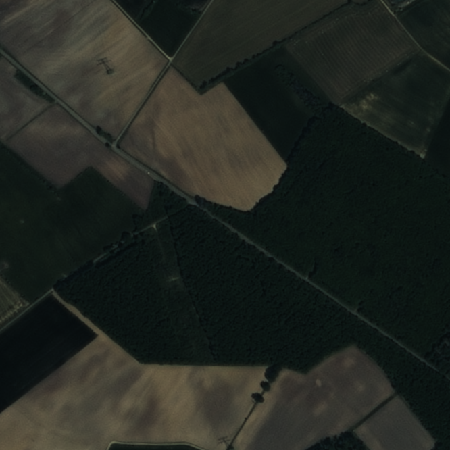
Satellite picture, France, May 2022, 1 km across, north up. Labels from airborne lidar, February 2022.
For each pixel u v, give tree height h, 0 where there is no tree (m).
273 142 0
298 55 0
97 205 0
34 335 0
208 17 0
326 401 0
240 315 19
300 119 0
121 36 0
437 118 0
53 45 0
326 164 20
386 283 13
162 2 0
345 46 0
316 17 0
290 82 7
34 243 0
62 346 0
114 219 0
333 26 0
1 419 0
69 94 0
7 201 0
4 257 0
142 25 0
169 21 0
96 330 0
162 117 0
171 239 0
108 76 0
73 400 0
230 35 0
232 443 0
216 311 19
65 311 0
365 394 0
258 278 16
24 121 0
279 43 10
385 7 0
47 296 0
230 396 0
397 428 0
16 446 0
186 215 17
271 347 17
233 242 15
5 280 0
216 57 0
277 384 0
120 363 0
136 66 0
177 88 0
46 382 0
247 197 0
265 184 0
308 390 0
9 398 0
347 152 12
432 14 0
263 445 0
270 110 0
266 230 18
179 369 0
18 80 0
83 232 0
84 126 0
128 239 13
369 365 0
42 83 0
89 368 0
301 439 0
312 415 0
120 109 0
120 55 0
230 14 0
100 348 0
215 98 0
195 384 0
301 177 15
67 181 0
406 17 0
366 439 0
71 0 0
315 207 13
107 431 0
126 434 0
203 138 0
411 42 0
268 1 0
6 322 0
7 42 0
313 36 0
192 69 0
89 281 20
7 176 0
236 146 0
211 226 17
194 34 0
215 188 0
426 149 0
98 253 0
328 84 0
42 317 0
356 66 0
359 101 0
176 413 0
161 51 0
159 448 0
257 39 0
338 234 13
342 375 0
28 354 0
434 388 14
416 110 0
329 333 16
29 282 0
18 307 0
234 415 0
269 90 0
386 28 0
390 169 16
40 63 0
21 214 0
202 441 0
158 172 0
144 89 0
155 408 0
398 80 0
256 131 0
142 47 0
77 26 0
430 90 0
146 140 0
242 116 0
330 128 15
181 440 0
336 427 0
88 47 0
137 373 0
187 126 0
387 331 8
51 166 0
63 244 0
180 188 0
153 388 0
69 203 0
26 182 0
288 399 0
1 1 0
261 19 0
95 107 0
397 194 15
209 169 0
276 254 12
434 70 0
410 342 11
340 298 12
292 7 0
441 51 0
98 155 0
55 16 0
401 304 15
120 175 0
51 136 0
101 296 19
